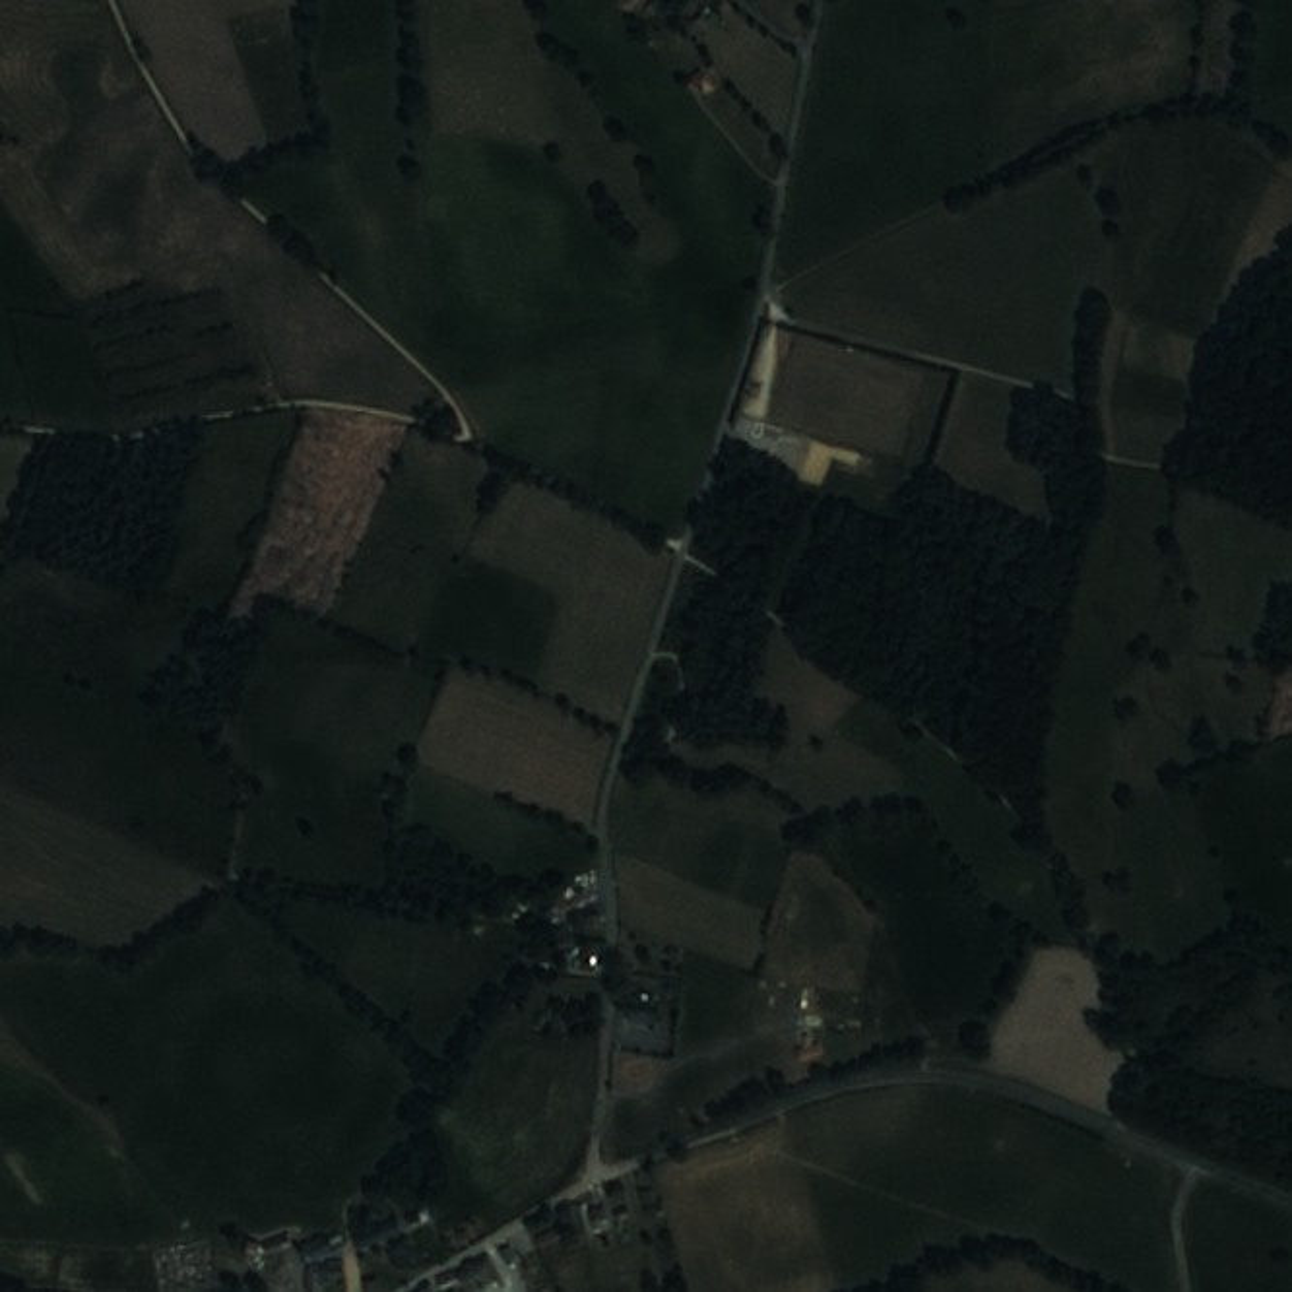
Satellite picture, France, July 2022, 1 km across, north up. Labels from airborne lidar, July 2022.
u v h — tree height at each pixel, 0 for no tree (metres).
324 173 0
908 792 0
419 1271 0
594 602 0
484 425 0
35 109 0
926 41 0
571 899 0
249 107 0
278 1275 0
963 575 11
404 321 0
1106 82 0
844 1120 0
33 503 17
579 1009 10
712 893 0
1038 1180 0
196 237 0
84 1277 0
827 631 24
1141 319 0
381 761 0
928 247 0
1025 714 25
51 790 0
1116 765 0
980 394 0
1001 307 0
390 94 0
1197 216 0
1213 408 27
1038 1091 0
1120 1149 7
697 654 17
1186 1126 7
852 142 0
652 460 0
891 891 0
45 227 0
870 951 0
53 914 0
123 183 0
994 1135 0
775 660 0
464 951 0
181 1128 0
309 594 0
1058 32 0
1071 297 0
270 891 17
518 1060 0
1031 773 19
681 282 0
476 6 0
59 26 0
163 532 20
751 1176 0
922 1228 0
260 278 0
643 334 0
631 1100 0
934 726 8
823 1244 0
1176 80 0
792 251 0
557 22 0
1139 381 0
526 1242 0
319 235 0
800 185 0
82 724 0
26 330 0
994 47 0
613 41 0
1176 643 0
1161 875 0
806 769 0
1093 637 0
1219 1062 0
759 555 24
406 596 0
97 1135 0
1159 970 8
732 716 25
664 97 0
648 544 16
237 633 19
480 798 0
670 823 0
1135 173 0
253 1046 0
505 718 0
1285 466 26
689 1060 0
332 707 0
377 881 0
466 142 0
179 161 0
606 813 0
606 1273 0
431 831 8
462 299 0
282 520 0
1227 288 0
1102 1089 0
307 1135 0
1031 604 16
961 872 15
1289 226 0
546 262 0
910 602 26
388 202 0
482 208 0
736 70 0
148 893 0
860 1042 0
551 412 0
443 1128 0
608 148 0
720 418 0
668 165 0
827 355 0
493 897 22
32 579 0
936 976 0
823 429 0
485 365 0
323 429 0
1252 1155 8
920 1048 17
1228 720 0
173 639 0
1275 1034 0
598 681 0
